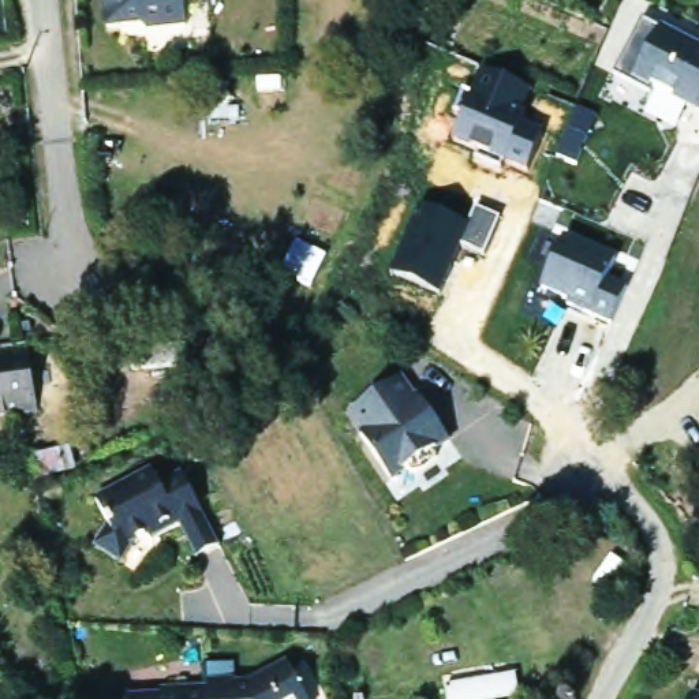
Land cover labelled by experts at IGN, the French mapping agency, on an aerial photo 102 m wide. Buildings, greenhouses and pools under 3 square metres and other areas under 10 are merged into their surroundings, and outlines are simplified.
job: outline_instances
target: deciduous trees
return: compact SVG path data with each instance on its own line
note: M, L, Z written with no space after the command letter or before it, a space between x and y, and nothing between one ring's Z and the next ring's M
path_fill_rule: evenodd
M374 126L358 112L344 126L339 147L341 164L355 167L360 172L366 172L380 156L374 153Z
M549 664L543 672L532 669L527 677L516 683L516 691L511 696L494 699L560 699L557 685L568 685L573 691L573 699L587 699L593 674L601 666L603 653L595 642L576 639L568 644L565 655L557 664Z
M284 369L287 374L300 374L311 396L317 401L325 399L336 382L330 341L309 325L311 298L306 295L306 287L298 281L298 270L287 265L284 268L262 257L246 254L235 257L232 259L238 262L240 273L276 270L292 287L284 292L273 319L262 328L262 344L276 358L279 369Z
M593 560L598 554L598 541L603 541L606 524L601 519L601 511L593 508L590 513L579 513L571 502L552 511L549 500L527 502L527 511L516 513L505 527L502 552L494 552L475 562L475 565L489 576L494 573L494 568L502 565L522 568L527 579L532 579L541 587L543 595L552 595L554 582L568 579L576 562Z
M0 672L0 699L19 699L27 683Z
M68 330L68 352L60 363L68 382L85 396L90 396L104 385L109 371L123 371L123 366L150 360L158 347L175 352L175 366L164 369L164 377L153 385L150 399L139 407L137 420L147 423L145 431L147 451L153 456L194 459L202 461L208 472L240 464L232 456L232 442L221 442L210 434L194 437L197 418L186 407L175 410L169 404L169 388L202 382L199 369L208 366L205 350L210 336L210 303L199 303L186 281L175 292L164 292L153 284L123 284L104 303L93 306L85 311L79 325Z
M623 625L642 606L644 595L636 590L636 584L612 582L606 576L598 579L593 587L593 614L606 620L609 625Z
M177 68L172 76L177 79L177 90L186 101L197 101L210 115L224 101L218 79L205 63L188 66Z
M699 440L685 445L680 451L680 464L685 470L683 494L691 500L694 516L685 527L685 535L674 543L674 582L691 582L699 576Z
M475 0L360 0L369 8L366 19L358 22L360 35L350 41L344 38L339 49L333 49L330 55L355 74L374 74L382 90L399 85L404 74L426 63L431 55L429 44L445 44L453 33L453 25L472 8Z
M14 142L0 139L0 235L25 238L16 227L19 188L14 175Z

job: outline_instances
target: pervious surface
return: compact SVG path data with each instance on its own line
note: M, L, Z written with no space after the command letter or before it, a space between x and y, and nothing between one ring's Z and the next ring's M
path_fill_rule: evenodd
M393 205L388 218L380 224L377 243L382 248L390 243L407 210L404 205Z
M538 156L560 153L554 137L562 126L562 109L549 101L538 101L535 109L546 115L549 123L543 128L543 137L530 142L527 161L527 167L532 169Z
M126 423L137 420L139 407L150 399L153 385L164 377L164 369L175 366L175 352L158 347L150 360L123 366L123 371L126 399L120 418Z
M535 180L511 175L505 180L497 180L478 175L472 147L456 139L448 137L448 117L448 96L440 96L429 117L418 128L420 153L431 158L429 180L434 186L426 191L426 197L431 202L451 208L453 213L470 210L470 199L481 197L486 208L502 213L505 208L511 208L524 210L530 216L532 199L538 194Z
M68 382L60 363L52 355L44 358L41 352L35 352L25 369L33 377L35 401L30 412L35 418L38 434L44 440L52 440L55 445L68 445Z
M674 582L669 601L672 606L699 603L699 576L691 582Z
M128 109L104 104L98 90L93 96L85 96L85 131L96 137L101 169L98 183L109 183L109 161L120 156L123 172L145 183L134 194L139 205L158 197L172 199L177 216L188 221L194 235L221 243L235 257L246 254L262 257L284 268L287 265L284 254L289 251L292 240L300 240L300 232L306 227L314 229L314 235L336 232L339 221L344 218L339 202L344 194L358 194L360 172L355 167L341 164L339 147L344 126L358 112L350 98L333 104L322 98L322 93L309 87L298 93L289 112L279 115L268 128L248 128L238 117L224 137L208 134L208 139L199 139L199 128L169 128L158 120L145 120L131 115Z

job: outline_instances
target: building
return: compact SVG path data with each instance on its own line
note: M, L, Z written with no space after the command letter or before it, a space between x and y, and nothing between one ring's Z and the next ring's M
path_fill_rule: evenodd
M106 22L186 22L188 5L194 0L98 0Z
M699 699L699 683L685 694L685 699Z
M478 259L489 257L502 213L486 208L481 197L470 199L470 210L453 213L451 208L431 202L426 197L418 202L415 210L407 210L390 243L396 246L396 254L390 259L393 270L412 270L429 279L431 284L445 284L453 262L459 259L459 246L470 254L478 254Z
M289 251L284 254L287 265L298 270L298 281L306 287L309 287L319 270L325 251L311 248L300 240L292 240Z
M442 442L451 437L442 429L437 412L418 393L426 380L415 374L412 366L390 366L382 369L374 377L374 382L347 407L347 418L358 431L363 431L380 448L390 472L401 470L401 461L415 448Z
M445 699L494 699L511 696L516 691L516 683L513 672L453 680L442 691Z
M35 475L46 475L52 470L71 470L74 453L68 445L55 445L35 451L30 456L27 467Z
M5 412L11 410L30 412L35 401L33 377L25 369L0 371L0 418L5 418Z
M134 680L123 691L123 699L317 699L317 655L303 647L289 647L265 658L262 664L243 664L235 653L221 653L221 658L208 664L208 674L183 672L158 680Z
M677 98L699 106L699 0L644 0L647 14L639 19L639 27L623 52L623 74L650 87L661 82L672 87Z
M194 459L153 456L115 475L98 489L98 500L104 502L101 519L106 524L101 524L93 532L93 543L109 552L112 557L126 554L137 530L158 530L158 516L164 513L183 524L188 538L191 546L205 546L216 543L224 535L224 527L208 497L208 472L202 461Z
M560 699L573 699L573 691L568 685L557 685Z
M489 57L481 55L478 71L467 74L470 93L464 93L464 101L456 104L453 117L448 117L448 137L456 139L472 137L483 142L483 156L494 161L511 164L513 156L527 161L530 142L543 137L543 128L549 123L546 115L535 109L538 101L530 76L519 79L505 68L489 66Z
M568 104L562 109L562 126L554 137L560 153L565 153L562 164L573 167L587 134L598 120L598 106L587 109Z
M562 235L554 235L554 254L546 257L538 287L541 292L560 295L565 309L582 306L614 317L620 309L620 298L631 281L631 273L617 262L617 254L625 248L628 235L620 235L606 227L571 221L565 227Z

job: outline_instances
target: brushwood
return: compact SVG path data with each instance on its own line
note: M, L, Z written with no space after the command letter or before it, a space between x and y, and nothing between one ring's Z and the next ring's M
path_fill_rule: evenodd
M328 644L328 653L317 655L317 699L374 699L371 674L358 664L360 636L366 631L404 625L415 614L431 620L440 633L451 631L451 620L442 612L442 603L451 593L472 587L475 565L475 562L451 571L437 584L418 587L401 595L399 601L388 601L374 612L352 612L339 628L328 628L325 633L314 633Z
M633 666L633 674L642 680L639 694L633 699L653 699L653 691L677 677L688 666L688 661L674 658L669 650L653 650L650 644Z
M52 355L60 363L68 352L68 330L79 325L85 311L93 306L96 295L79 287L76 292L60 298L52 306L30 295L27 300L19 300L14 309L5 306L8 314L5 319L0 319L0 350L30 347L35 352L41 352L44 358Z
M590 22L606 25L609 30L623 0L579 0L576 11L582 11Z
M87 628L93 623L158 628L183 650L191 628L208 631L235 631L240 625L180 617L109 617L76 612L74 603L87 590L87 582L96 576L96 568L85 560L85 552L93 543L93 532L71 538L71 543L66 546L63 573L55 571L49 557L27 538L16 538L16 546L11 549L14 573L5 587L14 603L30 612L33 617L30 647L35 647L52 664L49 677L68 680L76 672L87 669L87 644L76 639L76 625Z
M639 451L636 464L650 483L658 483L669 491L669 475L658 470L655 448L650 445Z
M14 66L0 71L0 104L5 104L11 112L27 115L35 109L30 68Z
M106 79L82 76L82 90L85 96L93 96L98 90L145 87L172 76L177 68L188 66L175 55L169 44L161 52L150 52L145 60L137 63L145 66L147 74Z
M614 440L614 434L623 434L655 401L655 352L628 350L612 360L612 374L595 380L601 410L590 418L590 423L601 434Z
M614 554L620 557L620 565L606 576L612 582L636 584L636 590L644 595L653 587L650 554L636 549L633 532L617 516L614 505L601 505L601 511L601 519L606 524L603 541L609 541Z
M418 358L423 358L423 352L434 344L431 319L420 306L412 303L407 303L404 309L390 309L390 328L382 336L382 358L390 366L412 366L418 363Z
M573 74L562 74L552 66L530 60L530 76L538 101L549 101L562 109L568 104L571 96L584 98L587 87Z
M0 0L0 49L25 41L25 0Z
M147 451L145 431L104 445L104 429L117 423L120 418L126 399L123 371L109 371L104 385L90 396L85 396L68 382L68 445L74 453L71 470L52 470L46 475L35 475L27 467L30 456L35 451L55 445L52 440L44 440L38 434L35 418L30 412L11 410L5 412L5 418L0 418L0 478L14 489L30 491L27 513L41 522L41 527L66 532L68 519L63 511L63 500L74 494L76 483L101 475L104 470L112 470L115 475L153 456Z
M156 579L158 573L167 573L177 562L180 543L164 538L134 568L134 573L128 576L131 587Z
M519 423L530 412L524 393L513 393L502 407L505 423Z
M309 287L306 287L306 295L311 298L309 325L330 341L347 319L360 317L360 303L339 289L314 292Z
M76 30L82 30L85 44L93 44L96 0L74 0Z
M232 55L238 82L257 79L259 74L279 74L281 79L300 74L303 46L298 33L303 0L273 0L273 49L259 55L251 52L251 46L235 49Z
M147 254L175 265L194 251L194 235L188 221L177 216L172 199L158 197L139 205L134 194L123 202L128 240L117 248L128 254Z

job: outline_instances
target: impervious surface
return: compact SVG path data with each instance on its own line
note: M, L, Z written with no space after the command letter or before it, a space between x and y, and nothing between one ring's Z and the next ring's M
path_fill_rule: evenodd
M5 306L14 309L19 300L27 300L30 295L52 306L60 298L76 292L79 287L82 273L96 259L96 246L85 221L74 164L74 134L85 131L85 96L82 90L68 93L66 85L60 16L55 0L25 0L25 41L0 49L0 71L14 66L30 68L35 109L41 134L38 147L44 153L46 199L52 221L46 238L25 238L0 235L0 319L5 319L8 314Z
M595 380L612 374L612 360L628 350L631 336L661 279L666 251L672 246L680 216L688 205L694 180L699 175L699 106L677 98L672 87L661 82L650 87L623 74L623 52L639 27L639 19L647 14L644 0L623 0L609 30L609 38L598 55L598 68L603 68L609 76L609 85L601 90L601 98L628 104L628 109L655 120L658 128L677 128L677 145L672 156L664 161L658 177L644 177L639 172L625 175L625 180L617 186L614 208L606 216L606 227L620 235L628 235L625 248L617 254L617 262L631 273L631 281L620 298L620 309L614 317L582 306L565 309L549 330L546 350L532 374L505 360L500 352L489 350L481 339L481 330L489 319L494 298L505 281L505 273L519 251L527 227L538 224L554 235L562 235L565 227L560 221L562 208L538 194L532 199L530 216L524 210L511 208L505 208L502 213L489 257L478 259L478 254L470 254L459 246L459 259L453 262L445 284L445 303L431 319L434 344L440 352L459 360L472 374L489 377L494 385L489 396L483 396L478 388L467 382L453 385L451 371L442 366L426 369L418 363L412 366L415 374L426 380L418 393L437 412L442 429L451 437L442 442L415 448L401 461L401 470L390 472L380 448L363 431L358 431L355 442L363 448L371 467L385 481L393 497L407 497L415 489L431 489L448 478L451 464L464 461L497 472L513 486L532 486L527 502L549 500L552 511L571 502L579 513L590 513L593 508L601 511L601 505L614 505L617 516L633 532L636 549L650 554L653 587L644 595L642 606L623 625L614 644L603 653L601 666L593 674L587 699L633 699L639 694L642 680L633 674L633 666L650 644L653 639L664 636L661 620L672 606L669 601L674 582L674 543L666 532L664 519L653 511L653 505L642 497L636 481L628 475L628 467L636 464L639 451L650 445L664 440L685 445L699 440L699 371L688 377L683 388L677 388L672 396L655 401L623 434L614 434L614 440L601 434L590 423L590 418L601 410ZM502 407L513 393L524 393L530 412L519 423L505 423Z
M164 538L180 543L188 538L183 524L164 513L158 516L158 530L137 530L126 554L126 565L134 568Z
M483 156L483 142L472 137L456 139L472 147L478 175L497 180L505 180L511 175L535 180L538 175L532 169L527 167L527 161L513 156L511 164L494 161Z
M183 650L177 661L128 669L134 680L158 680L183 672L208 674L208 664L221 658L210 653L208 631L191 628Z
M224 557L224 549L216 543L205 546L208 568L202 587L177 590L180 617L240 625L328 628L339 628L352 612L374 612L388 601L399 601L401 595L418 587L437 584L451 571L475 562L494 552L502 552L505 527L516 513L527 511L527 502L505 505L467 530L459 530L442 541L431 541L429 546L410 554L399 568L374 576L371 582L328 601L325 606L270 606L248 601L248 593L235 579L235 571Z
M120 33L120 44L128 44L134 35L139 35L147 41L150 52L161 52L169 44L175 38L208 38L208 8L199 0L194 0L188 5L186 22L106 22L106 30Z

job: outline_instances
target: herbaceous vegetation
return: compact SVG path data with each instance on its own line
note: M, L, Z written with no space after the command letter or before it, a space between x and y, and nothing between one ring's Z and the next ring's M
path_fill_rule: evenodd
M489 319L481 330L481 339L489 350L500 352L505 360L532 374L546 350L549 330L565 309L560 295L541 292L538 287L546 257L554 254L554 235L538 224L527 227L519 251L505 273L505 281L494 298Z
M30 612L14 603L5 587L14 573L11 549L16 546L16 538L27 538L49 557L55 571L63 573L66 546L71 543L71 538L93 532L101 524L106 524L101 519L104 502L98 500L98 489L115 475L112 470L104 470L101 475L76 483L74 494L63 500L63 511L68 519L66 532L41 527L41 522L27 513L30 491L14 489L0 478L0 672L27 683L19 699L123 699L123 691L134 680L128 669L177 661L183 650L158 628L93 623L87 628L76 625L76 639L87 644L87 669L76 672L68 680L49 677L52 664L35 647L30 647L33 617Z
M418 202L426 197L426 191L434 186L429 180L431 158L420 153L418 128L429 117L440 96L448 96L448 117L453 117L456 104L464 101L464 93L470 93L467 74L478 71L481 55L489 57L489 66L505 68L519 79L530 76L530 60L552 66L562 74L573 74L587 87L584 98L571 96L568 104L587 109L598 106L598 120L587 134L573 167L562 164L565 153L560 153L538 156L532 169L538 175L535 180L538 194L562 208L560 221L565 227L571 221L606 227L606 216L614 208L617 186L625 180L625 175L639 172L644 177L658 177L664 161L672 156L677 145L677 128L658 128L655 120L628 109L628 104L601 98L601 90L609 85L609 76L603 68L598 68L598 55L609 38L609 30L606 25L590 22L582 11L576 11L579 0L475 0L472 8L453 25L453 33L445 44L429 44L431 55L426 63L404 74L399 85L382 90L374 74L355 74L330 55L333 49L339 49L344 38L350 41L360 35L358 22L366 19L369 8L360 0L303 0L298 33L303 46L300 74L281 79L279 74L259 74L257 79L238 82L232 55L235 49L251 46L251 52L259 55L273 49L273 0L199 0L208 8L208 38L175 38L169 44L175 55L188 66L205 63L218 79L224 101L210 115L197 101L186 101L177 90L177 79L172 76L145 87L98 90L104 104L128 109L131 115L145 120L158 120L169 128L199 128L199 139L208 139L208 134L224 137L238 117L248 128L268 128L279 115L289 112L298 93L309 87L322 93L322 98L333 104L350 98L358 112L374 126L374 153L380 156L366 172L360 172L358 194L344 194L339 202L344 218L339 221L336 232L314 235L314 229L306 227L300 232L300 240L311 248L325 251L319 270L309 287L314 292L339 289L360 303L360 317L347 319L330 341L336 382L325 399L317 401L311 396L300 374L287 374L284 369L279 369L276 358L262 344L262 328L273 319L284 292L292 287L276 270L240 273L238 262L232 259L235 257L221 243L194 235L194 251L175 265L147 254L128 254L117 248L128 240L123 202L134 194L145 183L123 172L120 156L109 161L109 183L98 183L101 169L96 137L85 131L74 134L74 164L85 221L96 246L96 259L82 273L79 287L96 295L93 306L104 303L123 284L153 284L164 292L175 292L186 281L199 303L210 303L210 336L205 350L208 366L199 369L202 382L169 388L169 404L175 410L186 407L197 418L194 437L210 434L221 442L232 442L232 456L240 464L208 472L208 497L224 527L224 535L216 543L224 549L224 557L235 571L235 579L248 593L248 601L270 606L325 606L328 601L371 582L374 576L399 568L410 554L429 546L431 541L442 541L459 530L467 530L505 505L527 502L532 486L513 486L497 472L464 461L451 464L448 478L431 489L415 489L407 497L393 497L385 481L371 467L363 448L355 442L358 431L347 418L347 407L374 382L374 377L382 369L390 366L382 358L382 336L390 328L390 309L404 309L407 303L412 303L420 306L431 319L445 303L445 284L431 284L429 279L412 270L393 270L390 259L396 254L396 246L390 243L382 248L377 243L380 224L388 218L393 205L404 205L407 210L415 210Z
M106 79L147 74L145 66L137 63L145 60L150 52L147 41L139 35L134 35L128 44L120 44L120 33L106 30L106 22L98 0L96 0L93 44L85 44L82 30L76 30L74 0L55 0L60 16L66 85L68 93L82 90L82 76Z
M576 562L568 579L554 582L552 595L543 595L541 587L532 579L527 579L522 568L502 565L494 568L494 573L489 576L475 565L472 587L451 593L442 603L442 612L451 620L451 631L440 633L431 620L415 614L404 625L366 631L360 636L358 664L371 674L374 699L445 699L442 691L453 680L513 672L516 683L527 677L532 669L543 672L549 664L557 664L565 655L568 644L576 639L595 642L603 653L614 644L623 625L609 625L606 620L593 614L593 587L598 579L606 576L620 565L620 557L614 554L609 541L603 541L598 541L598 554L593 560Z
M147 423L137 420L126 423L120 418L117 423L104 429L104 445L145 431Z
M672 246L666 251L661 279L631 336L628 350L655 352L655 401L672 396L677 388L683 388L688 377L699 371L699 175L694 180L688 205L680 216Z
M489 396L494 385L489 377L472 374L459 360L440 352L434 344L423 352L423 358L418 358L418 363L426 369L442 366L451 371L453 385L467 382L478 388L483 396Z
M76 612L109 617L180 617L177 590L202 587L208 568L205 546L191 546L188 538L180 543L177 562L167 573L158 573L156 579L131 587L128 576L134 573L134 568L126 565L126 554L112 557L109 552L93 543L85 552L85 560L96 568L96 576L87 582L87 590L74 603Z
M30 347L0 350L0 371L25 369L35 352Z
M25 238L46 238L52 221L46 199L44 153L38 147L41 134L35 109L27 115L11 112L5 104L0 104L0 139L14 142L14 175L19 188L16 227Z
M636 481L642 497L653 505L653 511L664 519L666 532L674 543L685 535L685 527L694 516L691 500L683 494L685 470L680 464L680 451L685 445L664 440L650 445L655 448L658 470L669 475L669 491L658 483L650 483L636 464L628 467L628 475Z
M674 658L688 661L688 666L677 677L653 691L653 699L685 699L685 694L699 683L699 603L672 606L661 620L664 636L653 639L650 644L653 650L669 650Z
M208 631L210 653L221 658L221 653L235 653L243 664L262 664L265 658L289 647L303 647L317 655L328 653L328 644L314 633L325 633L328 628L240 625L235 631Z

